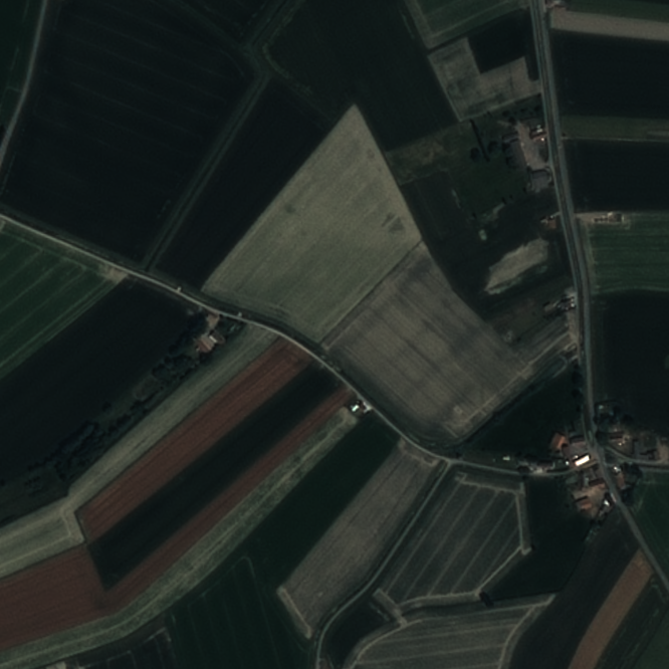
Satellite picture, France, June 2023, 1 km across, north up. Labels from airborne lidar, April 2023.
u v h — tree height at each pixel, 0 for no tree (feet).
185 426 0
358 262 0
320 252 0
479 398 0
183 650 0
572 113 0
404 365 0
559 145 0
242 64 0
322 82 0
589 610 0
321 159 0
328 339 0
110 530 0
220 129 0
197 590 0
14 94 0
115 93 0
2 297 0
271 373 0
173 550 0
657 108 0
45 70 0
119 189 0
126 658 0
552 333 0
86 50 0
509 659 0
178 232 0
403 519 0
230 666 0
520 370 0
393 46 0
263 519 0
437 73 0
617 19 0
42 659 0
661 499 0
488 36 0
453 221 0
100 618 0
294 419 0
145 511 0
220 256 0
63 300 0
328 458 0
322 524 0
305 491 0
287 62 0
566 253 0
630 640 0
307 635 0
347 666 0
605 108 0
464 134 0
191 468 0
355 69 0
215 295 0
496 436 0
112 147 0
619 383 0
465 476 0
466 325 0
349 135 0
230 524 0
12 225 0
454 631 0
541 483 0
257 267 0
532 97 0
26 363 0
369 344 0
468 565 0
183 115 0
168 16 0
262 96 0
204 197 0
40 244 0
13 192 0
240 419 0
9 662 0
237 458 0
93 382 0
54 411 0
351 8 0
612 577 0
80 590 0
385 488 0
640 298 0
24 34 0
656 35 0
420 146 0
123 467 0
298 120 0
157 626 0
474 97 0
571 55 0
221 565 0
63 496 0
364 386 0
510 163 42
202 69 0
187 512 0
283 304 0
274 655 0
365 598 0
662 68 0
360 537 0
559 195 0
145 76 0
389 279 0
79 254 0
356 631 0
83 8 0
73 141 0
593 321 0
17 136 0
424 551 0
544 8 0
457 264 0
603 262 0
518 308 0
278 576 0
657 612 0
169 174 0
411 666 0
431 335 0
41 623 0
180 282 0
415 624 0
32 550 0
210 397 0
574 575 0
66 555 0
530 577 0
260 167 0
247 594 0
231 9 0
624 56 0
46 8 0
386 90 0
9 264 0
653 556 0
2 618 0
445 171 0
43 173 0
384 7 0
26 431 0
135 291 0
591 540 0
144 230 0
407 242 0
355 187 0
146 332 0
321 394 0
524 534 0
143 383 0
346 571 0
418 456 0
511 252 0
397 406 0
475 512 0
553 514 0
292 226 0
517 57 0
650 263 0
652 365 0
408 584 0
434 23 0
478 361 0
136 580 0
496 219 0
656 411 0
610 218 0
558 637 0
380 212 0
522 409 0
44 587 0
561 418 0
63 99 0
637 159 0
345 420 0
